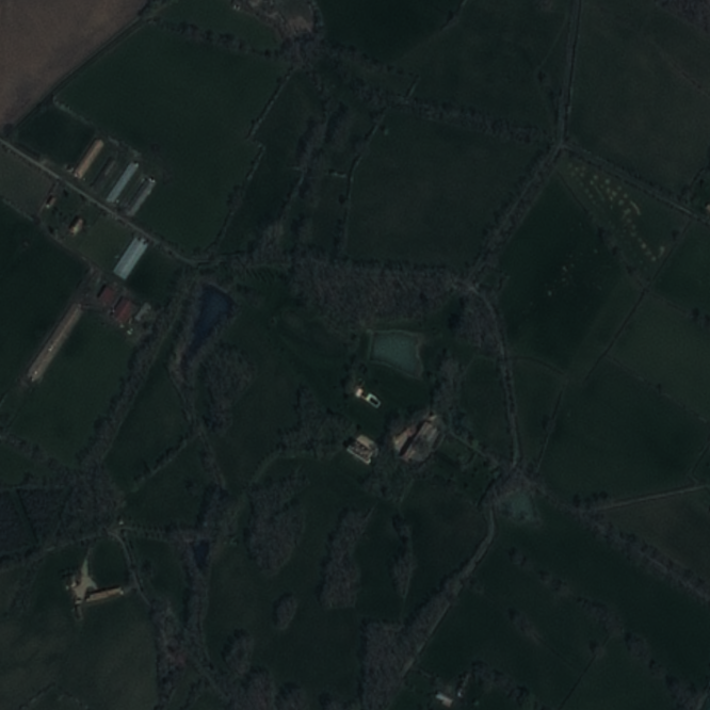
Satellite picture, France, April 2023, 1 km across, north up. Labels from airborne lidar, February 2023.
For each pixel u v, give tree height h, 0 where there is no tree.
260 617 0
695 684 0
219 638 0
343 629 0
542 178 14
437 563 0
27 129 0
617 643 0
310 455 18
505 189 0
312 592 0
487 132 14
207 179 0
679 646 0
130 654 0
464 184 0
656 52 0
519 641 0
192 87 0
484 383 0
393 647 18
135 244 0
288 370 0
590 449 0
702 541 0
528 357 0
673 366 0
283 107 0
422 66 0
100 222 0
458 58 0
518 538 0
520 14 0
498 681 17
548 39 0
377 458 23
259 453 0
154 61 0
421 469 15
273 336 0
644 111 0
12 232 0
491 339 18
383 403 0
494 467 13
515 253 0
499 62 0
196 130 0
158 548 0
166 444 0
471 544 0
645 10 0
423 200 0
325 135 13
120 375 0
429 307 22
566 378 0
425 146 0
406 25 0
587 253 0
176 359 12
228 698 14
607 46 0
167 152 0
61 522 13
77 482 15
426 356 0
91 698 0
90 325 0
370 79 0
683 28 0
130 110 0
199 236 0
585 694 0
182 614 0
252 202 0
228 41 10
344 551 19
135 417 0
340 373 0
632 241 0
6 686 0
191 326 18
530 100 0
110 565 0
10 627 0
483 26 0
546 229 0
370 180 0
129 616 0
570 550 0
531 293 0
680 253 0
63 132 0
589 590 0
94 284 0
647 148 0
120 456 0
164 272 0
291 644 0
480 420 0
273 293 0
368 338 0
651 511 0
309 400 15
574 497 0
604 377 0
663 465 0
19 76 0
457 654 0
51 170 0
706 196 0
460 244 0
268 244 25
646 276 0
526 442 0
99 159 0
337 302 21
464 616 0
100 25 0
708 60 0
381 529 0
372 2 0
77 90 0
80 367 0
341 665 0
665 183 0
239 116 0
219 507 21
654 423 0
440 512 0
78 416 0
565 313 0
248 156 0
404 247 0
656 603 0
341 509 0
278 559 22
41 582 0
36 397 0
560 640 0
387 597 0
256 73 0
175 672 11
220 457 0
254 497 18
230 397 14
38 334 0
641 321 0
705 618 0
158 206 0
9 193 0
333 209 0
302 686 0
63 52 0
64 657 0
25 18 0
